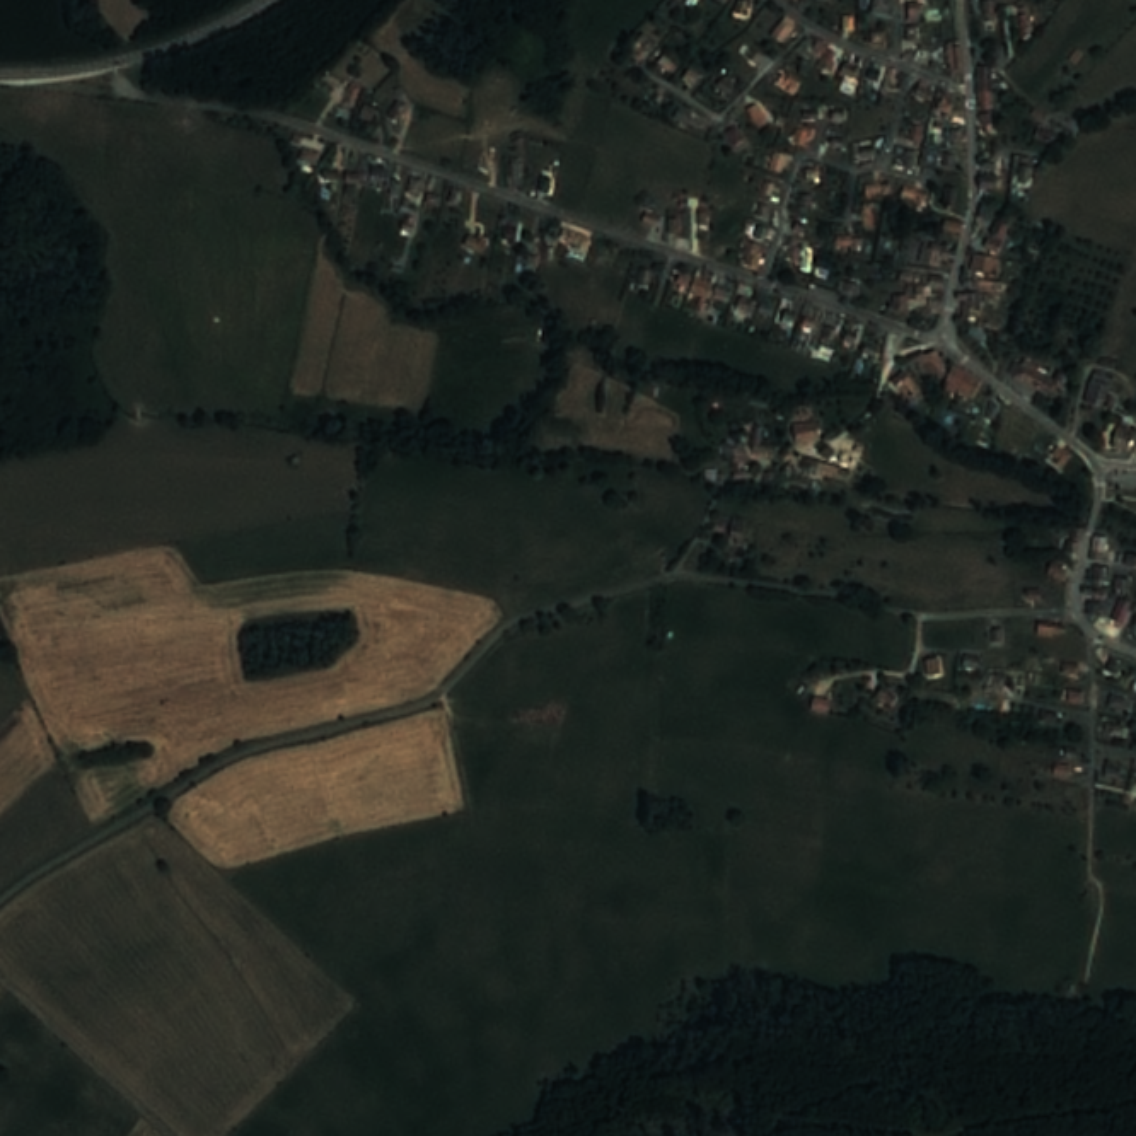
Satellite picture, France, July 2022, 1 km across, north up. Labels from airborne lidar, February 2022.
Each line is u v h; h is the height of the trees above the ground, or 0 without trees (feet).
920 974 70
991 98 0
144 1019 0
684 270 25
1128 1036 84
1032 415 0
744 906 0
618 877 0
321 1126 0
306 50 28
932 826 0
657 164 0
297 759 0
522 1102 0
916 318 20
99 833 0
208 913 0
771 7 24
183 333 0
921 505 71
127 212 0
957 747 0
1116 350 0
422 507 0
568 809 0
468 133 0
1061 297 29
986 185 0
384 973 0
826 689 0
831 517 0
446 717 0
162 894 0
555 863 0
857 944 0
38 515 0
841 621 0
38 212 60
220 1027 0
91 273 73
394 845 0
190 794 0
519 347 0
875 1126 56
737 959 0
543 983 0
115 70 0
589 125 0
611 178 0
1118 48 0
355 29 29
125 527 0
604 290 0
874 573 0
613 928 0
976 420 0
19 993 0
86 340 0
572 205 0
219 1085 0
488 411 0
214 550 0
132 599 0
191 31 0
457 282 0
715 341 0
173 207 0
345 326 0
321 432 39
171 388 0
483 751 0
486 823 0
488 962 0
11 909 0
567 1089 45
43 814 0
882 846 0
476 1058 0
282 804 0
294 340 0
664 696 0
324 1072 0
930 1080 65
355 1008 0
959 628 0
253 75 30
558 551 0
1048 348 28
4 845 0
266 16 29
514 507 0
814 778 0
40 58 0
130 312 0
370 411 0
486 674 0
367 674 0
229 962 0
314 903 0
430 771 0
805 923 0
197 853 0
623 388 0
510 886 0
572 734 0
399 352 0
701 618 0
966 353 0
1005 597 0
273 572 0
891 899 0
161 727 0
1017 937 0
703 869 0
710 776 0
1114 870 0
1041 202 0
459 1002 0
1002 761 0
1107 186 0
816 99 22
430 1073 0
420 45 57
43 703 0
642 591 0
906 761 80
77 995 0
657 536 0
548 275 0
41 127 0
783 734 0
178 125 0
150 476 0
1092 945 0
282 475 0
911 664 0
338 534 0
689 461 43
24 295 75
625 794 0
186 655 0
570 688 0
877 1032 85
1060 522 59
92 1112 0
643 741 0
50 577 0
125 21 0
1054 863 0
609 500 38
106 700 0
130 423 0
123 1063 0
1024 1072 52
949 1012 72
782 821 0
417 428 60
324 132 0
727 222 0
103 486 0
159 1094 0
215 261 0
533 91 19
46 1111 0
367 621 0
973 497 0
